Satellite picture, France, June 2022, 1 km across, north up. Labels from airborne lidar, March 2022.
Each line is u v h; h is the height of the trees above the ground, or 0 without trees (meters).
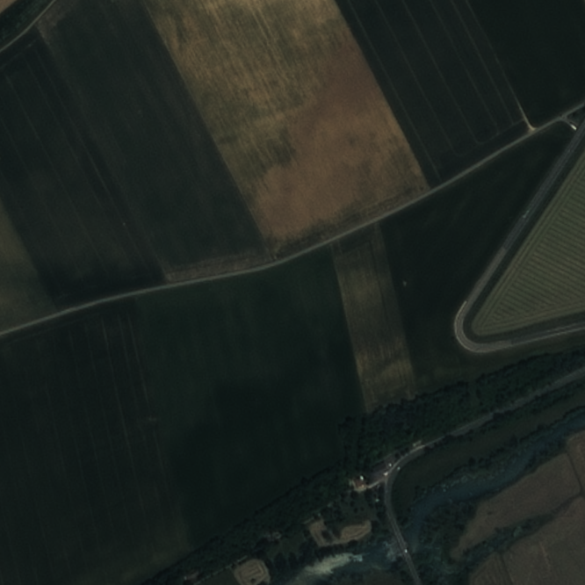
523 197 0
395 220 0
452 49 0
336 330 0
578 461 0
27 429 0
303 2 0
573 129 0
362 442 8
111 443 0
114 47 0
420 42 0
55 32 0
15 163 0
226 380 0
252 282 0
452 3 0
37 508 0
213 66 0
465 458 0
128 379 0
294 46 0
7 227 0
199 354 0
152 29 0
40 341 0
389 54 0
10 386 0
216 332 0
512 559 0
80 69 0
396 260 0
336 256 0
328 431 0
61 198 0
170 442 0
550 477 0
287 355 0
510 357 0
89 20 0
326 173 0
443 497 0
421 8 0
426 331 0
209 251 0
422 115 0
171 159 0
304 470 0
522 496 0
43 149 0
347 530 0
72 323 0
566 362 14
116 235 0
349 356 0
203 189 0
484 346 0
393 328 0
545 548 0
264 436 0
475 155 0
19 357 0
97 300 0
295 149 0
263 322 0
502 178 0
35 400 0
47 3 0
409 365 0
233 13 0
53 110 0
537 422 0
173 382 0
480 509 0
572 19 0
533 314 0
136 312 0
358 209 0
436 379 0
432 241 0
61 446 0
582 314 0
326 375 0
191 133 0
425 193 0
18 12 0
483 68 0
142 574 0
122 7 0
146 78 0
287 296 0
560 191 0
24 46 0
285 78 0
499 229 0
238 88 0
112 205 0
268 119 0
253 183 0
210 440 0
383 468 0
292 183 0
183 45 0
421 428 7
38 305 0
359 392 0
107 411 0
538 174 0
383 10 0
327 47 0
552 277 0
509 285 0
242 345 0
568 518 0
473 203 0
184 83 0
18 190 0
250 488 0
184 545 0
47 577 0
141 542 0
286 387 0
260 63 0
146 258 0
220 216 0
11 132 0
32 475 0
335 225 0
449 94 0
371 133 0
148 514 0
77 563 0
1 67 0
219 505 0
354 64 0
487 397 6
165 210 0
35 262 0
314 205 0
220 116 0
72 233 0
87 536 0
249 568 0
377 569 0
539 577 0
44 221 0
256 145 0
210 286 0
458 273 0
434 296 0
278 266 0
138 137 0
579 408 6
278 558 0
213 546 10
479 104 0
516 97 0
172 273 0
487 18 0
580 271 0
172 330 0
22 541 0
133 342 0
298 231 0
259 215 0
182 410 0
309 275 0
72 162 0
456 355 0
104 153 0
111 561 0
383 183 0
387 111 0
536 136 0
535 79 0
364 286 0
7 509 0
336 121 0
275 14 0
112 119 0
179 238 0
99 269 0
